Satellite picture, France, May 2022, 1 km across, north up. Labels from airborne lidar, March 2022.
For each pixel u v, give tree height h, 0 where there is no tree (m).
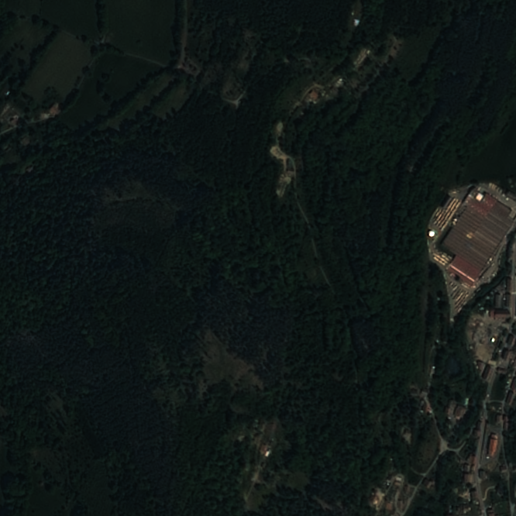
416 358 20
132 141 14
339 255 9
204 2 18
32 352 30
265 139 11
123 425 20
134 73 0
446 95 31
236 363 0
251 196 14
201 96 17
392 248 19
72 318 26
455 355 10
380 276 27
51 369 22
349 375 9
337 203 32
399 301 28
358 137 23
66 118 0
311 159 24
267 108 18
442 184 0
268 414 12
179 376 8
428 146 0
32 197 24
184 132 10
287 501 20
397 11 16
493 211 0
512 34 21
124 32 0
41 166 12
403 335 34
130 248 6
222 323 31
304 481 0
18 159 0
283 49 17
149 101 0
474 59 32
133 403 15
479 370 0
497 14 24
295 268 23
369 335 32
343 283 7
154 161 24
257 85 17
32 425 22
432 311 15
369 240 29
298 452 26
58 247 18
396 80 23
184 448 9
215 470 19
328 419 7
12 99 7
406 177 26
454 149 14
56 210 18
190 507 13
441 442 0
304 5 21
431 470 0
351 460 27
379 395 27
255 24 15
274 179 11
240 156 15
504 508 0
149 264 30
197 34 9
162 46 0
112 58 0
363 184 30
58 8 0
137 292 20
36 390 25
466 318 11
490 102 29
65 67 0
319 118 22
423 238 13
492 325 0
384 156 22
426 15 9
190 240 12
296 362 9
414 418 8
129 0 0
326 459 33
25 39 0
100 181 22
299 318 10
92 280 14
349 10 19
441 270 21
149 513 17
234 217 25
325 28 14
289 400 13
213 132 17
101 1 17
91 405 23
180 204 28
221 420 7
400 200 26
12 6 0
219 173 15
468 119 31
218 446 18
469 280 0
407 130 23
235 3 18
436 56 27
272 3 23
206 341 34
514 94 21
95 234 21
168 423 16
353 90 18
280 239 15
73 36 0
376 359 18
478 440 0
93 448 11
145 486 11
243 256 19
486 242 0
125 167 22
